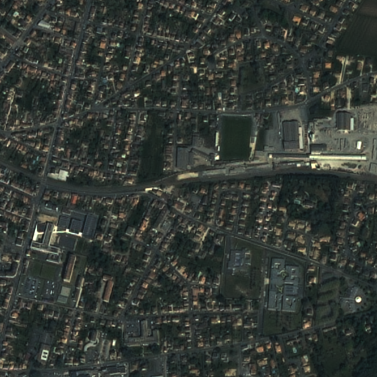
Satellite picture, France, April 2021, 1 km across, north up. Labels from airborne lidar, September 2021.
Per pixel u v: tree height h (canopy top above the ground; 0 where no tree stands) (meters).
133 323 0
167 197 0
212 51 11
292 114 0
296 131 0
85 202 9
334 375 14
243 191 0
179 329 10
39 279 0
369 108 0
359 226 0
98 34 6
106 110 0
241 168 0
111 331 6
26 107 0
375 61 0
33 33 0
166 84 5
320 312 18
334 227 7
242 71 15
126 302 6
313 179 17
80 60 0
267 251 0
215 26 10
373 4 0
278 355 9
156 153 0
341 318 10
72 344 0
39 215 11
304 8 0
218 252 26
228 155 0
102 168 11
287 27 13
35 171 6
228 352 0
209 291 0
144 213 0
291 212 16
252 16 15
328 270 0
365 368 19
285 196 9
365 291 9
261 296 0
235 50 0
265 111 0
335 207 15
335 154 0
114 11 7
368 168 0
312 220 22
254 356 7
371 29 0
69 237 0
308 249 0
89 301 7
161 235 0
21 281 0
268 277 0
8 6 9
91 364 0
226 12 17
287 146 0
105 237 7
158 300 0
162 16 10
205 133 10
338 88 0
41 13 0
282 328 10
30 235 0
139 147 13
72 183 8
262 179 9
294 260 0
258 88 0
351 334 10
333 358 6
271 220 6
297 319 0
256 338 8
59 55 7
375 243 6
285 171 0
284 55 7
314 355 7
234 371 0
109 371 0
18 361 7
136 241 0
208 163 0
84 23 0
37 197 0
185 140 0
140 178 7
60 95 0
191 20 7
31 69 0
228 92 5
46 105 11
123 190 0
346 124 0
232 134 0
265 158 0
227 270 0
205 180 0
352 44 0
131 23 8
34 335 0
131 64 0
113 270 7
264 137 0
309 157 0
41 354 0
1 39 7
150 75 0
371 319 21
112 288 7
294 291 0
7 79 10
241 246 0
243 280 0
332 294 16
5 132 0
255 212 6
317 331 8
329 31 0
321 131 0
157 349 21
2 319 12
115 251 8
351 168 0
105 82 0
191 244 7
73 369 0
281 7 6
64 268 0
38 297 0
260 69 16
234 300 5
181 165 0
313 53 0
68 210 0
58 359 7
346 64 0
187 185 6
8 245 0
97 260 9
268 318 0
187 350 8
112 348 7
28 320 0
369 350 10
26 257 0
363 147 0
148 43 7
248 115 0
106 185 5
